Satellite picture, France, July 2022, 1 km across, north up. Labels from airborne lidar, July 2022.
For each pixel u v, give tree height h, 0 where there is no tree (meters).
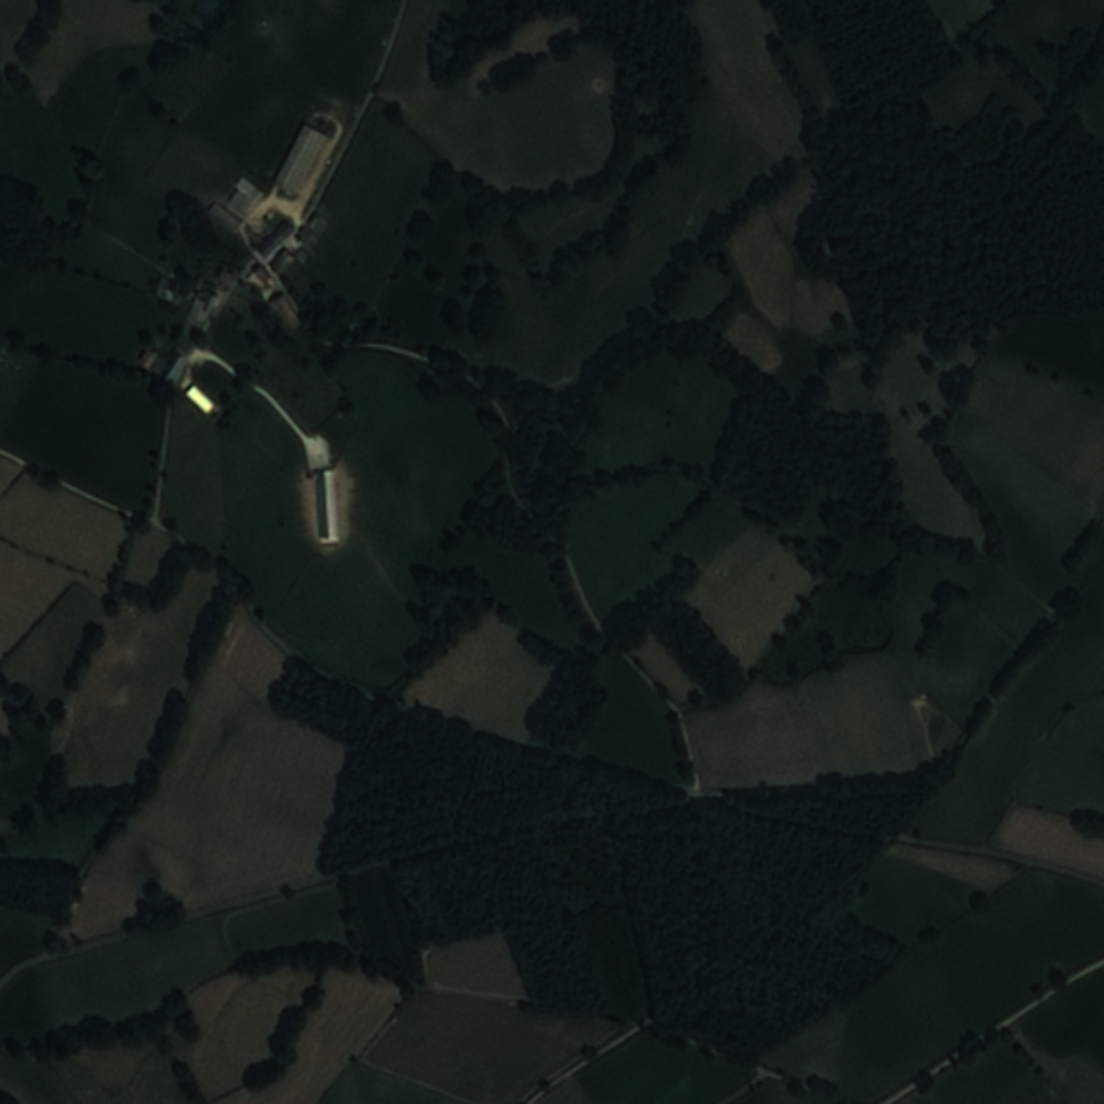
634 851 27
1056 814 0
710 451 0
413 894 28
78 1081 0
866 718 0
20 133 0
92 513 0
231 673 0
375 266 0
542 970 26
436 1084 0
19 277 0
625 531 0
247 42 0
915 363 0
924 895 0
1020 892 0
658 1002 31
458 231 0
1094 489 0
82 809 22
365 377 0
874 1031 0
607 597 0
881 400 0
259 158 0
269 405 0
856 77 9
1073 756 0
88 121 0
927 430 9
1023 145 12
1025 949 0
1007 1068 0
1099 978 0
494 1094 0
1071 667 0
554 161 0
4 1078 0
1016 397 0
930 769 17
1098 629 0
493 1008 0
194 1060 0
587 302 0
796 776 0
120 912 0
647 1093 0
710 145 0
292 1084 0
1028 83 22
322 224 0
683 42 24
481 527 23
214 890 0
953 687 0
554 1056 0
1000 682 12
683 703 0
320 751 0
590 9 21
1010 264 25
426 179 0
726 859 26
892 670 0
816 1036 0
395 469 0
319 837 0
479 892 30
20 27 0
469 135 0
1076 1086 0
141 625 0
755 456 24
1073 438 0
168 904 16
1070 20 0
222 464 0
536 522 18
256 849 0
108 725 0
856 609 0
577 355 0
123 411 0
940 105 0
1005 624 0
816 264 29
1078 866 0
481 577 20
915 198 20
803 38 11
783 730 0
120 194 0
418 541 0
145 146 0
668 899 24
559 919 27
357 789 20
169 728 21
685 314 0
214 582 0
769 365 0
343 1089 0
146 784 20
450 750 23
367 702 20
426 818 22
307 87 0
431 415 0
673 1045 14
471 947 0
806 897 22
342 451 0
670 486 0
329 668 0
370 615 0
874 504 7
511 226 21
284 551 0
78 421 0
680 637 24
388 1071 0
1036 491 0
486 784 15
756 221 0
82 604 0
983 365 0
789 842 26
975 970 0
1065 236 16
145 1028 23
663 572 0
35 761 0
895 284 23
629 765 0
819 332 0
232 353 0
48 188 0
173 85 0
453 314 23
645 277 0
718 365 24
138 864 0
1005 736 0
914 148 22
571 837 9
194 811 0
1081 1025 0
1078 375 0
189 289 15
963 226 16
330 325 19
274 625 0
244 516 0
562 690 20
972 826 0
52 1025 0
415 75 0
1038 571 0
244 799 0
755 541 0
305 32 0
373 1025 0
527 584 0
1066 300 23
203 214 19
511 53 0
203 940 0
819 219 26
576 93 0
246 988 0
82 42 0
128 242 0
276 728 0
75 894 11
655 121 12
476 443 0
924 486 0
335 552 0
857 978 22
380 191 0
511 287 0
